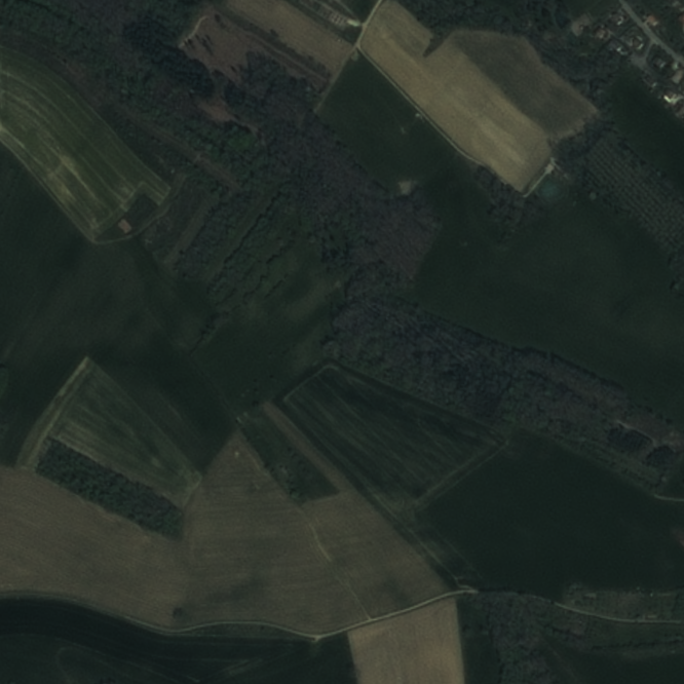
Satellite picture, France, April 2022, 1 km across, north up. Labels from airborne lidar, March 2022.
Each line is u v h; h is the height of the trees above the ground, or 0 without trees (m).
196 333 0
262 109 18
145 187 0
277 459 0
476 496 0
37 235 0
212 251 13
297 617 0
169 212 0
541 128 0
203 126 22
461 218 0
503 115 0
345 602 0
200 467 0
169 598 0
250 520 0
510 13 0
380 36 0
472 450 0
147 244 0
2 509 0
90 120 0
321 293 0
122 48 23
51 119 0
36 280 0
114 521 0
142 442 0
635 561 0
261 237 10
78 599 0
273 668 0
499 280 0
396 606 0
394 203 17
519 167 0
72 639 0
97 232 0
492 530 0
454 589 0
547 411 30
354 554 0
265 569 0
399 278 20
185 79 28
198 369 0
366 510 0
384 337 31
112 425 0
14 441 0
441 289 0
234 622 0
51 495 0
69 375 0
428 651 0
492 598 19
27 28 19
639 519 0
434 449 0
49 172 0
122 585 0
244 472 0
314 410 0
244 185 17
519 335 0
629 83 0
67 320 0
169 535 21
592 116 0
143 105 20
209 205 0
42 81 0
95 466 21
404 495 0
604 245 0
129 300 0
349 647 0
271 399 0
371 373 15
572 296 0
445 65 0
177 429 0
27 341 0
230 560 0
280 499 0
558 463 0
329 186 29
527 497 0
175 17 20
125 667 0
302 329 0
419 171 0
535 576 0
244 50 0
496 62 0
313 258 0
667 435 0
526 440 0
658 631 0
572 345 0
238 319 0
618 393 27
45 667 0
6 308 0
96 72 21
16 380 0
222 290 9
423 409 0
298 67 0
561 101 0
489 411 13
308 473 9
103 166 0
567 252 0
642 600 0
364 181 33
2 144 0
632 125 0
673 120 0
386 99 0
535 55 0
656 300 0
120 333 0
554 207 0
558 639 17
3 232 0
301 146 33
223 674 0
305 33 0
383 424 0
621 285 0
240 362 0
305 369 0
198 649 0
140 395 0
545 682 29
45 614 0
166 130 17
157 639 0
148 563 0
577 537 0
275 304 0
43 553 0
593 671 0
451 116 0
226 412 0
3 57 0
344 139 0
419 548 0
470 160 0
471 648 0
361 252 27
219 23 0
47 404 0
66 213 0
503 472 0
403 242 35
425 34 0
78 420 0
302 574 0
